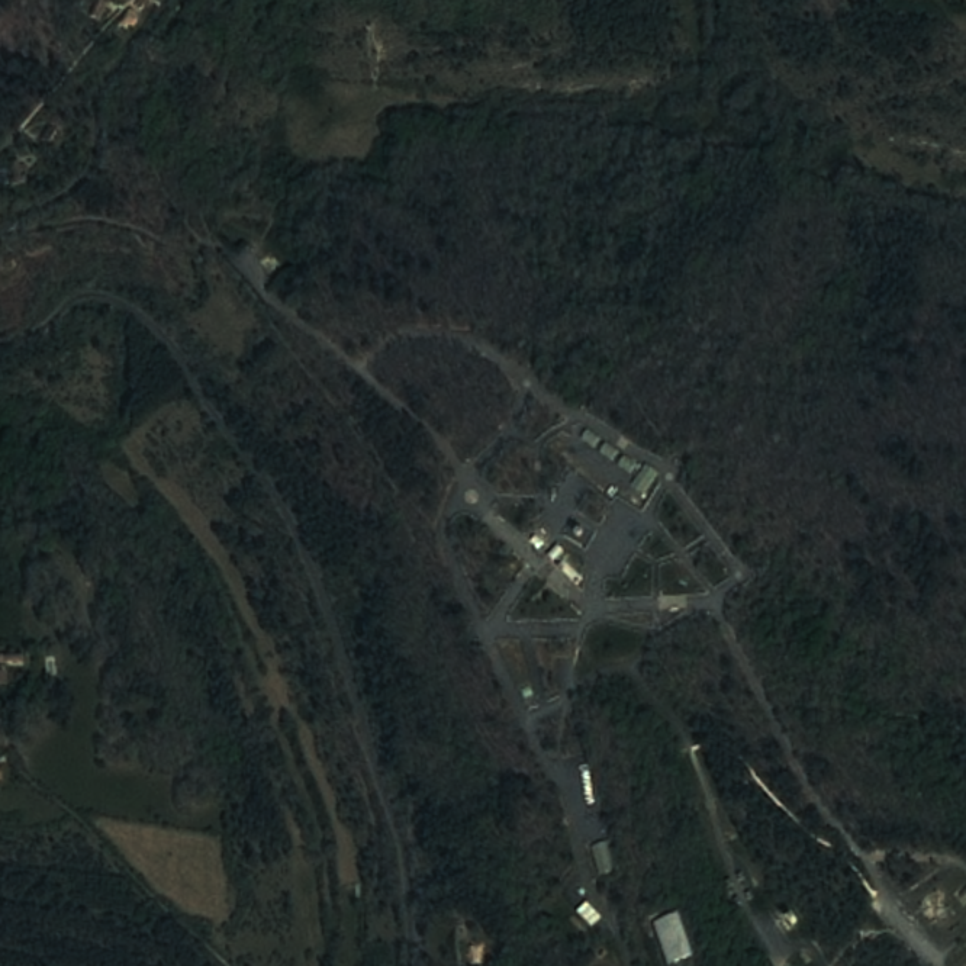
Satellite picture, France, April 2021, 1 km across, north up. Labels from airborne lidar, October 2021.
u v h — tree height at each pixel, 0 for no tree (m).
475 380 24
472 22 11
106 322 23
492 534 15
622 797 14
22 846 8
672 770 26
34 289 11
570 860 15
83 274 23
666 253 26
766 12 10
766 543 15
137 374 22
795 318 12
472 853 22
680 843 20
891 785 20
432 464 18
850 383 18
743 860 0
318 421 9
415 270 23
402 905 16
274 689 0
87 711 0
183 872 0
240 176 20
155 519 20
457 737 19
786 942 0
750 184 15
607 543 0
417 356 16
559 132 24
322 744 7
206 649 21
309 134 0
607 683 19
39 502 23
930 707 17
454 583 16
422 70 10
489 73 0
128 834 0
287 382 13
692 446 19
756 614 11
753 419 19
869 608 22
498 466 16
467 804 19
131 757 23
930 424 16
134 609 25
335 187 11
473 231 15
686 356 15
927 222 20
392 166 22
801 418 20
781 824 16
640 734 27
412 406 19
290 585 13
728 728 19
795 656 15
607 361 22
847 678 17
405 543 18
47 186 8
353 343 13
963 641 15
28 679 12
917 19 16
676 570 0
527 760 10
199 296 6
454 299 17
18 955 12
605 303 17
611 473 0
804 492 14
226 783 23
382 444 23
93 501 19
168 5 7
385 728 10
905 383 17
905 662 20
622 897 11
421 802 20
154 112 19
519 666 0
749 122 22
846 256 21
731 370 22
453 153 21
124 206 12
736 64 24
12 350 23
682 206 25
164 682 23
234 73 11
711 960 16
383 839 18
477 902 27
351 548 21
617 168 26
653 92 12
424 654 19
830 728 15
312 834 15
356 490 9
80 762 0
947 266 23
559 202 31
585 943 16
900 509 17
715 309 19
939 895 0
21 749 13
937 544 29
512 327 17
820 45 10
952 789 24
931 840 17
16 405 16
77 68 15
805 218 15
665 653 17
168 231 12
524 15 11
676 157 19
